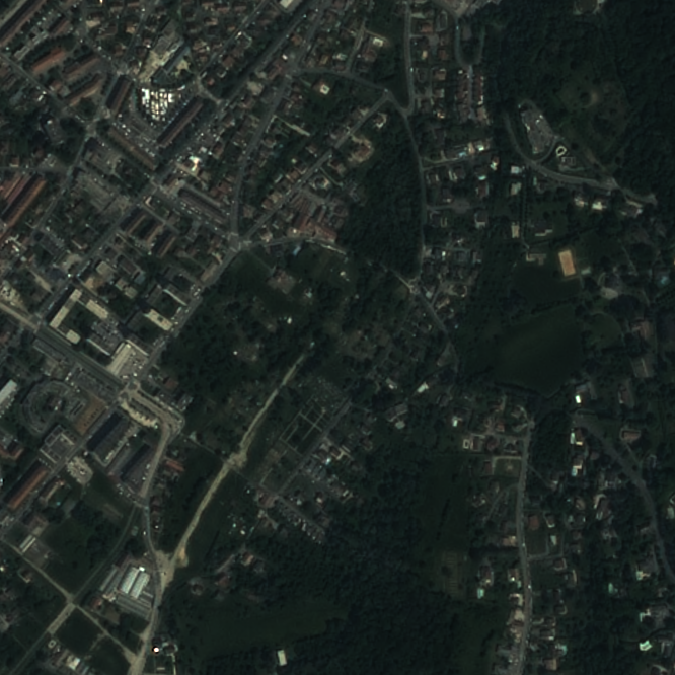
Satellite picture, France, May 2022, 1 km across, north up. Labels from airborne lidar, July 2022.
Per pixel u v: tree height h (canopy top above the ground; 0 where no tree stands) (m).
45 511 7
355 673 21
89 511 12
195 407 19
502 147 18
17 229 10
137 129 0
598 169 15
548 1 29
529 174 17
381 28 0
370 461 14
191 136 7
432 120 12
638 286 15
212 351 15
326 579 10
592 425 0
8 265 0
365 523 16
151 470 0
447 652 21
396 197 7
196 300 0
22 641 0
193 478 0
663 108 31
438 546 0
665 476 20
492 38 10
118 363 0
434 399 0
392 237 16
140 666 0
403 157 16
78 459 0
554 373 0
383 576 24
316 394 0
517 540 0
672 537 15
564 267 0
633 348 22
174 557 0
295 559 7
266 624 0
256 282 0
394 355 8
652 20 28
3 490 11
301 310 0
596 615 15
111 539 8
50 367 0
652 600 6
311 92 0
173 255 7
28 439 22
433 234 16
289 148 8
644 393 14
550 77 12
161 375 0
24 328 0
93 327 0
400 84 0
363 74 5
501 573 8
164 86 8
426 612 27
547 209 0
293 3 0
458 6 0
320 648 15
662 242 21
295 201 0
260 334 14
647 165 23
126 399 0
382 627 26
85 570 0
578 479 6
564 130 12
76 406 0
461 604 12
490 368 9
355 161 0
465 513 0
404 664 28
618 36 26
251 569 9
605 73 8
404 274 17
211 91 13
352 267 0
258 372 0
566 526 9
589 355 14
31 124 15
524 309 13
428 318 6
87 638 0
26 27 12
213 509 0
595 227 7
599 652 22
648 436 17
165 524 0
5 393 0
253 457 0
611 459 17
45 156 8
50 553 0
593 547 11
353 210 12
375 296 14
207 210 0
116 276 6
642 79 30
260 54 9
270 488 0
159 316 0
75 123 17
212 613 0
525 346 0
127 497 0
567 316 0
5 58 0
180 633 7
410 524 29
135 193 6
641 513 7
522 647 0
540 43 24
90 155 0
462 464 0
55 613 0
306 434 0
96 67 0
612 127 11
